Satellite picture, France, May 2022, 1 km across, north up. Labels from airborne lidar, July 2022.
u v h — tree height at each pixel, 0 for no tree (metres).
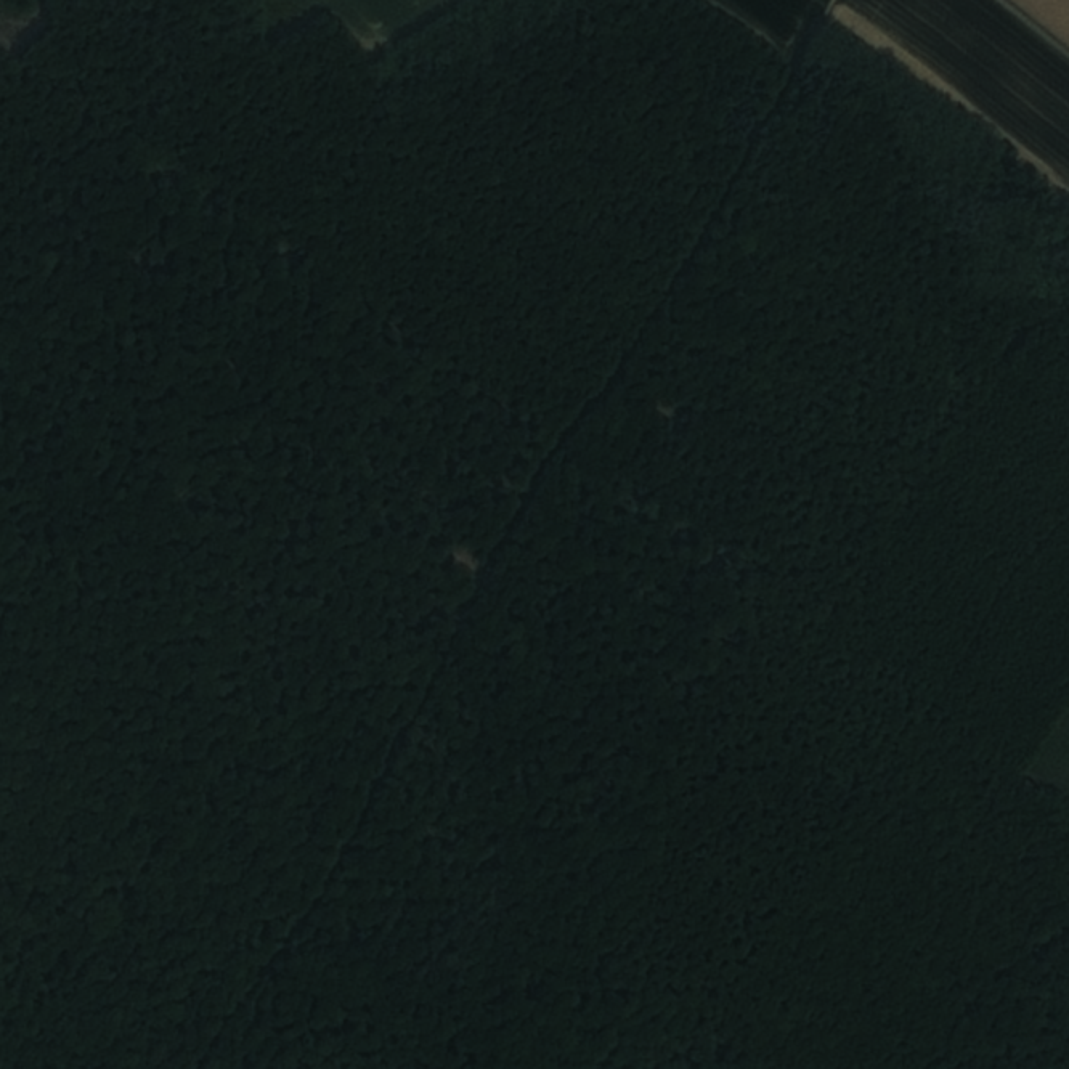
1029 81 0
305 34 28
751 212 26
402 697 31
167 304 30
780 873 24
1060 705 20
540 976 32
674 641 36
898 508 23
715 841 24
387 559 33
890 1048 24
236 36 26
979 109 0
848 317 26
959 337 22
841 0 0
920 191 30
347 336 31
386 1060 32
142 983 25
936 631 18
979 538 20
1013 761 21
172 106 25
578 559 31
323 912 25
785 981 23
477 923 28
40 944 33
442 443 30
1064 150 0
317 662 34
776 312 27
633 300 23
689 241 25
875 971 23
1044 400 19
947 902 24
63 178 31
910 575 20
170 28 27
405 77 13
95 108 25
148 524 31
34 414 31
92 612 31
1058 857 21
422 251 23
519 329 26
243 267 30
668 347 19
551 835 29
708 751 25
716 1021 21
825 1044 24
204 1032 33
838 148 27
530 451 27
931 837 25
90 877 30
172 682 33
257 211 27
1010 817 25
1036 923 25
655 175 26
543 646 28
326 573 34
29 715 33
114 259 31
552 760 30
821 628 19
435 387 31
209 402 33
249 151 28
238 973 31
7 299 31
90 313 32
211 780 27
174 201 31
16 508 29
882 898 25
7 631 31
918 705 22
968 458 17
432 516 30
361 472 33
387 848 30
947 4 0
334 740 22
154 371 36
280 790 32
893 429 26
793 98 15
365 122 25
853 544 24
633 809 28
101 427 28
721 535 30
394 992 32
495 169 27
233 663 33
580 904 27
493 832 23
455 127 26
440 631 29
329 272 26
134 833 32
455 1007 32
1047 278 29
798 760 28
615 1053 31
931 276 27
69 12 24
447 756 29
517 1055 29
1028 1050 31
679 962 27
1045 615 18
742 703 25
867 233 27
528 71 25
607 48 26
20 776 34
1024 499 20
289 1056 33
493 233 22
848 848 23
